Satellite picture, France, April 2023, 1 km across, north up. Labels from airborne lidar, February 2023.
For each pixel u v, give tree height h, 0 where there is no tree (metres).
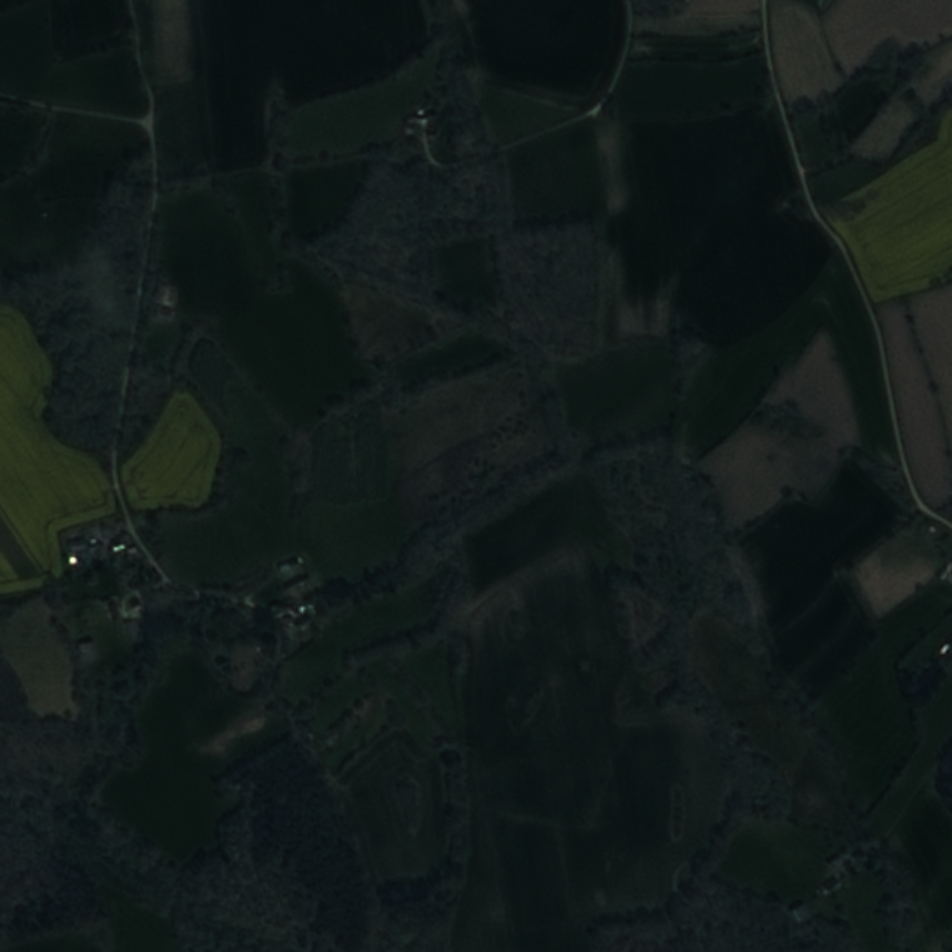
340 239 9
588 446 0
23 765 18
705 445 0
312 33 0
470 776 0
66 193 0
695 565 11
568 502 0
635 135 0
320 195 0
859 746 0
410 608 0
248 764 15
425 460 0
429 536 12
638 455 7
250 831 14
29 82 0
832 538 0
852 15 0
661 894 0
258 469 0
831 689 0
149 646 31
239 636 9
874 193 0
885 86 0
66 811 11
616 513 13
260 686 10
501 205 15
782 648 0
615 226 0
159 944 0
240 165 0
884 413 0
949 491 0
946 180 0
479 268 0
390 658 9
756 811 16
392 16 0
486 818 0
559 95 0
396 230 10
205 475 0
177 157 0
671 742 0
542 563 0
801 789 0
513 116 0
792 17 0
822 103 11
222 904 19
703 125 0
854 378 0
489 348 0
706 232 0
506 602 0
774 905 14
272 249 0
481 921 0
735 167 0
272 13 0
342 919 15
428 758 0
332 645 0
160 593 17
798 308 0
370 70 0
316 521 0
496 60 0
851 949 14
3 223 0
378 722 0
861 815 10
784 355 0
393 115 0
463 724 0
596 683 0
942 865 0
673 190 0
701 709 13
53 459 0
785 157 0
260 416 0
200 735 0
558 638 0
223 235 0
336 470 6
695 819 0
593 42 0
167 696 0
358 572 0
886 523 0
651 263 0
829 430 0
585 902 0
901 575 0
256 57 0
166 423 0
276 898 15
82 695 12
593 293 19
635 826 0
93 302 14
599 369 0
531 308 22
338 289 14
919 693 23
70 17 0
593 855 0
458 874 26
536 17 0
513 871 0
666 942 9
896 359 0
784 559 0
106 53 10
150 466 0
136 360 11
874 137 0
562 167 0
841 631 0
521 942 0
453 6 0
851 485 0
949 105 12
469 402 0
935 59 0
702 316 0
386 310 0
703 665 0
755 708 0
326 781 9
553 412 12
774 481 0
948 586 0
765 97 15
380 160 15
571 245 19
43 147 7
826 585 0
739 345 0
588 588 0
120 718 9
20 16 0
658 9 16
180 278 0
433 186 18
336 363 0
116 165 0
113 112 0
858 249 0
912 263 0
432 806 0
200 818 0
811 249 0
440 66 7
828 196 0
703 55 0
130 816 0
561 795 0
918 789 0
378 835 0
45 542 0
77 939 0
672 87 0
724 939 14
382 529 0
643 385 0
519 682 0
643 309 0
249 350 0
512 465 0
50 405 16
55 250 0
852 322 0
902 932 11
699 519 13
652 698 0
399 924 27
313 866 18
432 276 26
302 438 0
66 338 8
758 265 0
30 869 20
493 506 15
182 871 6
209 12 0
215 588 9
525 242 16
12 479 0
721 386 0
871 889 0
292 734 10
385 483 5
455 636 12
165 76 0
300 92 0
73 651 10
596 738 0
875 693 0
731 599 22
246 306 0
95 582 9
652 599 14
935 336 0
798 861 0
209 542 0
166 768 0
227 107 0
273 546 0
